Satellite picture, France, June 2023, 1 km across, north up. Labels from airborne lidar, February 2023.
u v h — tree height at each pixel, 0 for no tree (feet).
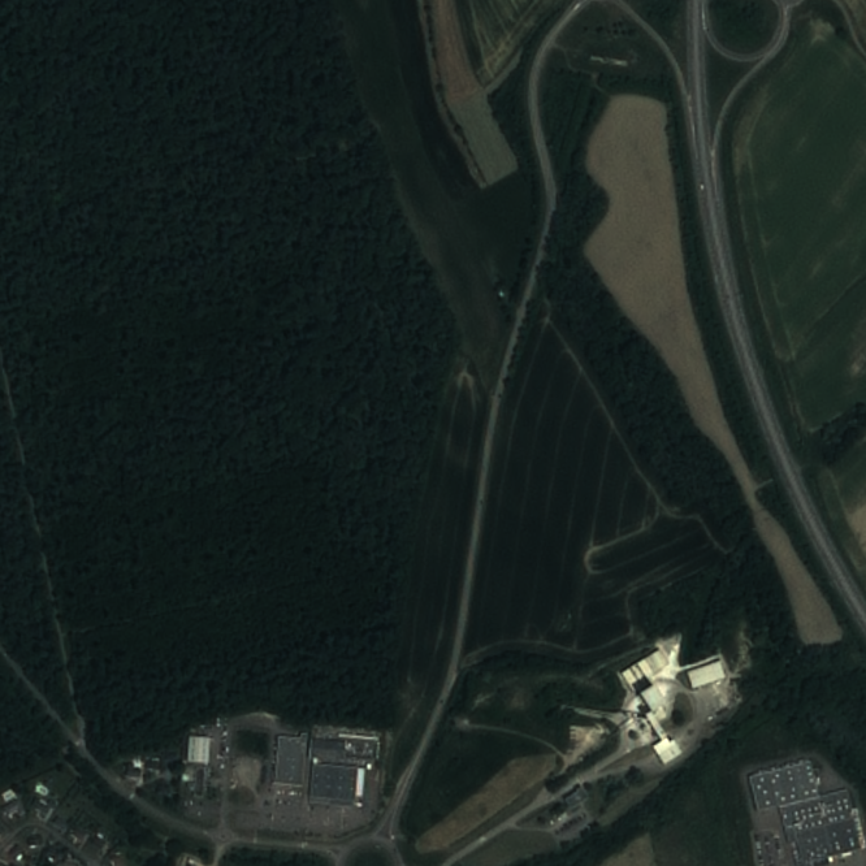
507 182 0
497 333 0
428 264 36
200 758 0
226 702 73
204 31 73
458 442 0
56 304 72
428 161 0
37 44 83
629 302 0
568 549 0
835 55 0
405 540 65
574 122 21
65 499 59
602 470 0
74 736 0
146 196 33
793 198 0
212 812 0
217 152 89
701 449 75
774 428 0
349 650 100
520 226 0
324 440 82
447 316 53
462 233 0
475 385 0
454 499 0
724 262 0
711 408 0
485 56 0
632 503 0
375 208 64
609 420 0
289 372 65
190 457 69
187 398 69
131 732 73
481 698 0
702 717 0
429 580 0
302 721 56
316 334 76
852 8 0
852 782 0
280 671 69
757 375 0
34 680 70
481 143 0
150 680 70
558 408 0
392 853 0
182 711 66
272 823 0
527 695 0
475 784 0
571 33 0
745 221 0
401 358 69
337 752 0
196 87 81
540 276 56
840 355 0
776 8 0
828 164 0
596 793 0
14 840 0
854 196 0
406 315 77
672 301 0
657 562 0
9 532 80
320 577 82
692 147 0
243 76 90
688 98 0
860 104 0
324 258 74
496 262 0
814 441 0
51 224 78
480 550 0
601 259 0
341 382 78
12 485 78
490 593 0
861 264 0
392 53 0
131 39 73
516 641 0
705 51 0
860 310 0
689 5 0
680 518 0
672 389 72
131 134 84
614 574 0
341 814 0
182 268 83
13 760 67
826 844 0
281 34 87
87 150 61
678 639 0
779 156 0
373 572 39
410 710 0
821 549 0
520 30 0
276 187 73
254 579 31
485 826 0
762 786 0
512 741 0
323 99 88
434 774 0
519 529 0
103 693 65
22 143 68
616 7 0
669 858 0
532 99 0
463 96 0
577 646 0
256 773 0
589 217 62
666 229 0
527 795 0
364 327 75
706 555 0
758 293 0
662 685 0
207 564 72
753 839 0
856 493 0
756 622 35
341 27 58
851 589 0
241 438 79
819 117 0
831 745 65
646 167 0
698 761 18
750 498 0
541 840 0
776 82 0
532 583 0
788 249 0
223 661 29
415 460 63
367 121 61
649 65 0
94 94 73
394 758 0
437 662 0
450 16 0
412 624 0
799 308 0
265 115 91
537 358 0
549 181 0
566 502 0
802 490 0
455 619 0
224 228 83
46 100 87
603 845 31
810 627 0
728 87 0
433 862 0
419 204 0
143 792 36
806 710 39
